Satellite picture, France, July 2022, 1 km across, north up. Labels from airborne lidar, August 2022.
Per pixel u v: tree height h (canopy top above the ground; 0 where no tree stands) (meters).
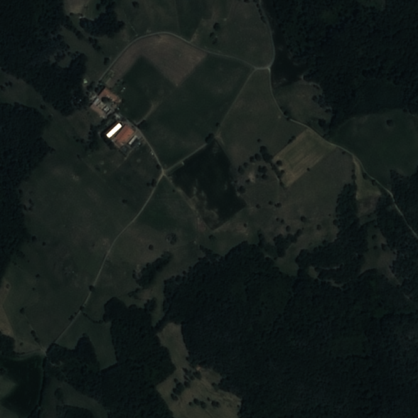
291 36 9
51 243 0
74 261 0
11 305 0
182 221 0
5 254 18
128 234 0
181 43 0
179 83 0
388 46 26
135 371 19
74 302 0
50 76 16
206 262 8
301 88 0
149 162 0
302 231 7
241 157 0
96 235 0
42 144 19
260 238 11
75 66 14
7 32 6
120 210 0
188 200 0
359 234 21
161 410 17
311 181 0
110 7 20
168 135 0
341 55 18
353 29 23
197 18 0
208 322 10
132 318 12
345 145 0
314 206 0
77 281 0
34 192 0
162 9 0
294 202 0
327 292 19
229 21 0
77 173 0
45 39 6
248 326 11
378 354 18
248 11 0
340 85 23
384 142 0
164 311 7
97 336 0
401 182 6
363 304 14
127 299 0
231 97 0
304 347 19
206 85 0
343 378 23
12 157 22
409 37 33
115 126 0
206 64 0
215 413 0
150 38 0
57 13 15
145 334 14
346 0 22
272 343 14
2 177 23
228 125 0
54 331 0
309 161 0
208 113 0
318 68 12
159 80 0
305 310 17
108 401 17
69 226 0
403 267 10
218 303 12
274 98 0
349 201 11
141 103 0
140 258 0
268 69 0
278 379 15
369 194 0
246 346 12
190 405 9
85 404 0
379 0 0
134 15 0
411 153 0
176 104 0
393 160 0
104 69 0
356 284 16
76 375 10
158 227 0
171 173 0
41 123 22
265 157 14
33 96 0
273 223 0
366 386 22
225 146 0
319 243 0
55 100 17
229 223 0
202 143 0
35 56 12
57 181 0
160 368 8
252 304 10
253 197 0
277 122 0
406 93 9
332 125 14
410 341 8
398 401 21
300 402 15
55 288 0
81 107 16
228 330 14
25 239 16
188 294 11
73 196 0
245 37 0
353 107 20
